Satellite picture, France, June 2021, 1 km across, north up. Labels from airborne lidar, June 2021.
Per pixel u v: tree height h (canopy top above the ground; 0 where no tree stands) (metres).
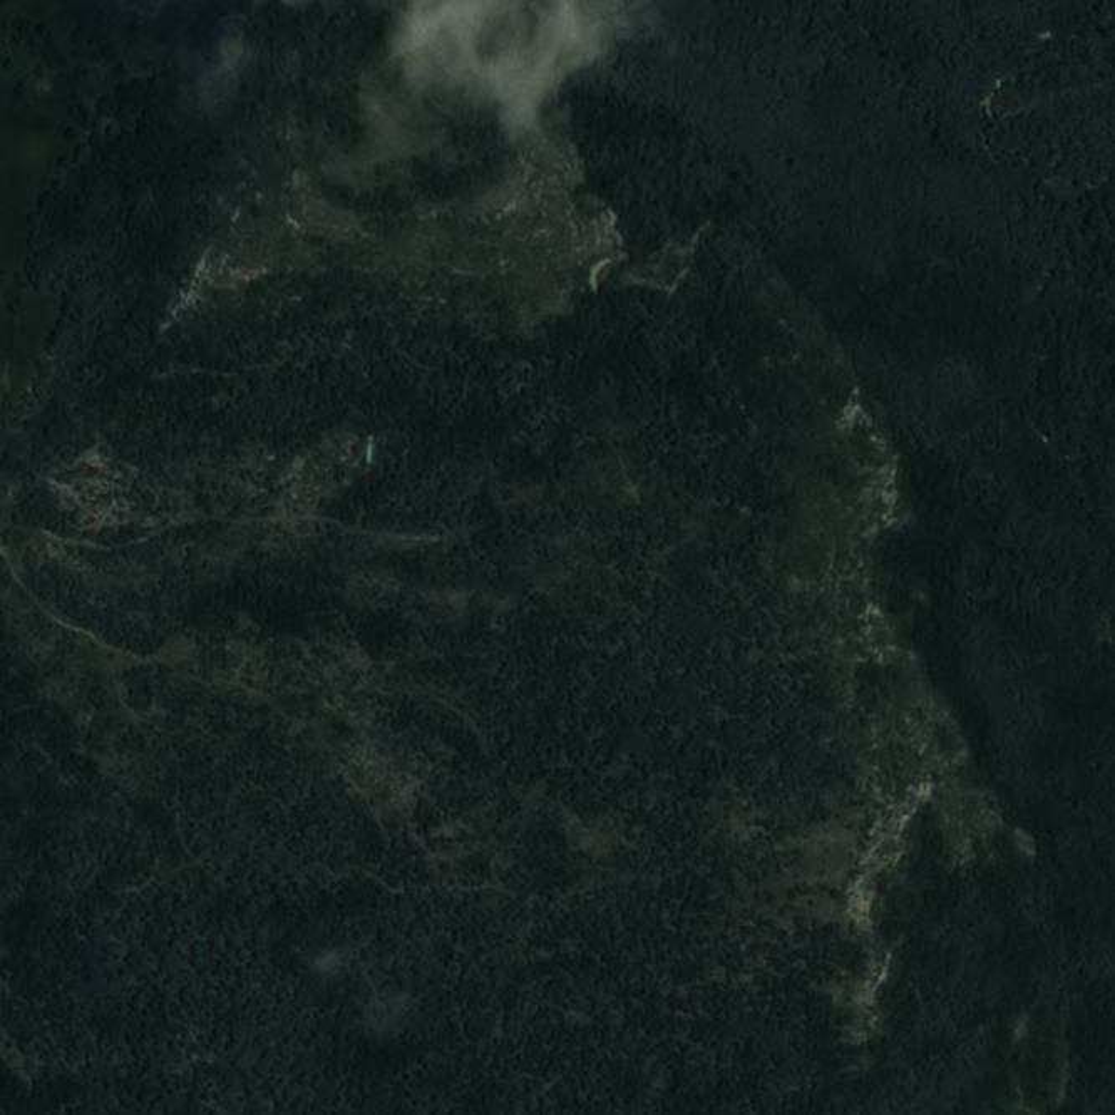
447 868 8
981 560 8
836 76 18
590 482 6
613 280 7
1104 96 10
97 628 9
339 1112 14
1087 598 13
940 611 16
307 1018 14
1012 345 12
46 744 11
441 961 7
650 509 6
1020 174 15
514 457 13
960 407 10
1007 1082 6
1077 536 15
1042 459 12
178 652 0
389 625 11
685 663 10
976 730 14
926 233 16
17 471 7
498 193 0
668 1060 11
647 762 14
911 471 10
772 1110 14
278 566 6
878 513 23
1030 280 8
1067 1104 9
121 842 12
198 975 13
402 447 9
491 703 8
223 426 11
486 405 14
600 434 10
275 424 13
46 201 11
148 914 12
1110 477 15
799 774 15
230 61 15
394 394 13
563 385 14
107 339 13
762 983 7
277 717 7
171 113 19
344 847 8
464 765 7
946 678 12
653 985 10
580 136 11
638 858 12
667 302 6
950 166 20
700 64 15
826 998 8
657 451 11
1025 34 14
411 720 12
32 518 10
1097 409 12
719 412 10
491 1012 12
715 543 8
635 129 14
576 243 0
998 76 6
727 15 18
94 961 18
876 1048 11
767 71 19
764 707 13
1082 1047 12
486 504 8
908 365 9
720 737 14
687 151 17
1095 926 13
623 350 15
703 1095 11
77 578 7
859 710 9
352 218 0
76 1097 15
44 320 0
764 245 13
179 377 7
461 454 12
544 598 7
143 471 6
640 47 15
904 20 11
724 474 13
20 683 10
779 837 6
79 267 13
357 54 11
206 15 8
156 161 21
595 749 9
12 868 10
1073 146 14
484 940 10
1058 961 11
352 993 13
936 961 6
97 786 8
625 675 14
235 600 11
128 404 8
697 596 12
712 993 8
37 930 15
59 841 12
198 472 8
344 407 10
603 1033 13
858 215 13
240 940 15
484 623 7
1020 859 7
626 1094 12
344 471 7
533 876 7
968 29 17
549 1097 10
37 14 0
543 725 8
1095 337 15
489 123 16
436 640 11
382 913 12
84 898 10
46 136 0
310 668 7
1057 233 10
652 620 9
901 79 15
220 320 6
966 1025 9
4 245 0
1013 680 8
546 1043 8
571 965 14
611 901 13
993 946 10
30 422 6
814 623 10
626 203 18
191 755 11
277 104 9
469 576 8
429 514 17
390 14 11
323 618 8
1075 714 10
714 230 8
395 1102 12
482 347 13
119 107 13
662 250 20
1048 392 11
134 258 13
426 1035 12
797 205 12
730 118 15
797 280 14
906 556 11
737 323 10
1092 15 15
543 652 8
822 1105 11
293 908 12
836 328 10
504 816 9
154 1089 6
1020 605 15
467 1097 12
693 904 11
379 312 10
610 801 10
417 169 6
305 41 17
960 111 14
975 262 15
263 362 11
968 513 10
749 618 14
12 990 7
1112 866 11
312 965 9
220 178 8
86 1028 12
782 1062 14
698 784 13
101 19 8
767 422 7
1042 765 13
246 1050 17
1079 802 13
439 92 8
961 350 10
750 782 8
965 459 8
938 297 11
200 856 12
